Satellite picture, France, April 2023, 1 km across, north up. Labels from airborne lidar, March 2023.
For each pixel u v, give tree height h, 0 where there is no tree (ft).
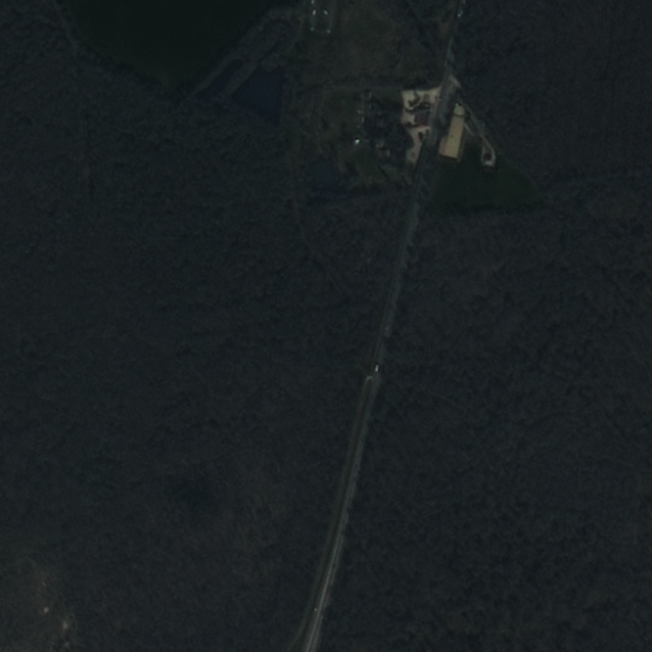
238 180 110
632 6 55
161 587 85
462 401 73
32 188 87
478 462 71
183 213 97
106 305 87
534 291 87
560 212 60
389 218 72
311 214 52
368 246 48
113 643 58
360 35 0
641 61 53
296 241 81
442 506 72
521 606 89
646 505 68
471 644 76
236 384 85
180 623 81
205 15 0
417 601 82
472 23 66
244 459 85
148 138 88
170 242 96
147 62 0
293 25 47
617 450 81
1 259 86
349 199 75
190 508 78
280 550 69
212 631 67
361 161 0
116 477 79
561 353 77
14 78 79
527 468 62
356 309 79
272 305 90
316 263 52
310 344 97
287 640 77
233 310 94
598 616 55
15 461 77
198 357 91
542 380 68
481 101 68
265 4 0
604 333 77
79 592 72
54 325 77
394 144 24
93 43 0
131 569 86
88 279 79
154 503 89
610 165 46
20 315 86
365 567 66
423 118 0
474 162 0
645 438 88
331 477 79
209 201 73
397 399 77
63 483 91
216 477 65
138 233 91
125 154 91
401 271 0
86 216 81
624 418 82
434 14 73
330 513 67
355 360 73
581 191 55
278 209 87
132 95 84
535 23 72
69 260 86
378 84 46
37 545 50
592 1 60
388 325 0
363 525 81
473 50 71
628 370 79
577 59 51
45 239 80
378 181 0
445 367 81
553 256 72
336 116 0
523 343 59
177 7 0
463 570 63
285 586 76
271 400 108
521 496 49
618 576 82
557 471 60
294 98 39
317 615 0
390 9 33
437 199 0
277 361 97
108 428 96
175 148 98
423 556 73
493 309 73
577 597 76
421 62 0
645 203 72
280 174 101
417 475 88
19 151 83
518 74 88
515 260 75
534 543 71
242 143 93
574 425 85
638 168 76
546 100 63
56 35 83
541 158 71
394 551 84
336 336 98
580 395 91
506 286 78
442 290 50
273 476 68
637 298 77
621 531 70
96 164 80
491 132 41
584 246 75
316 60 0
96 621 77
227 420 31
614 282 87
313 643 0
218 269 100
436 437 74
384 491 70
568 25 58
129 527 86
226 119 86
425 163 0
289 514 66
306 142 38
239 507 63
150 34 0
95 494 103
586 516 60
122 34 0
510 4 89
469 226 76
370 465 79
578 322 89
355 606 71
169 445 81
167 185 95
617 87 53
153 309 102
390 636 76
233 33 0
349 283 59
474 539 86
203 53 0
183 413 81
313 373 103
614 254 67
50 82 89
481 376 70
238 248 85
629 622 88
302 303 103
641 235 85
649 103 56
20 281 90
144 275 95
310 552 62
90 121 63
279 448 77
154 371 84
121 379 75
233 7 0
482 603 72
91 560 78
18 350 78
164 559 25
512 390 56
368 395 0
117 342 93
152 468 87
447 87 0
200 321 93
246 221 90
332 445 79
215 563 72
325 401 95
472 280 78
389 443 71
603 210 84
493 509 63
